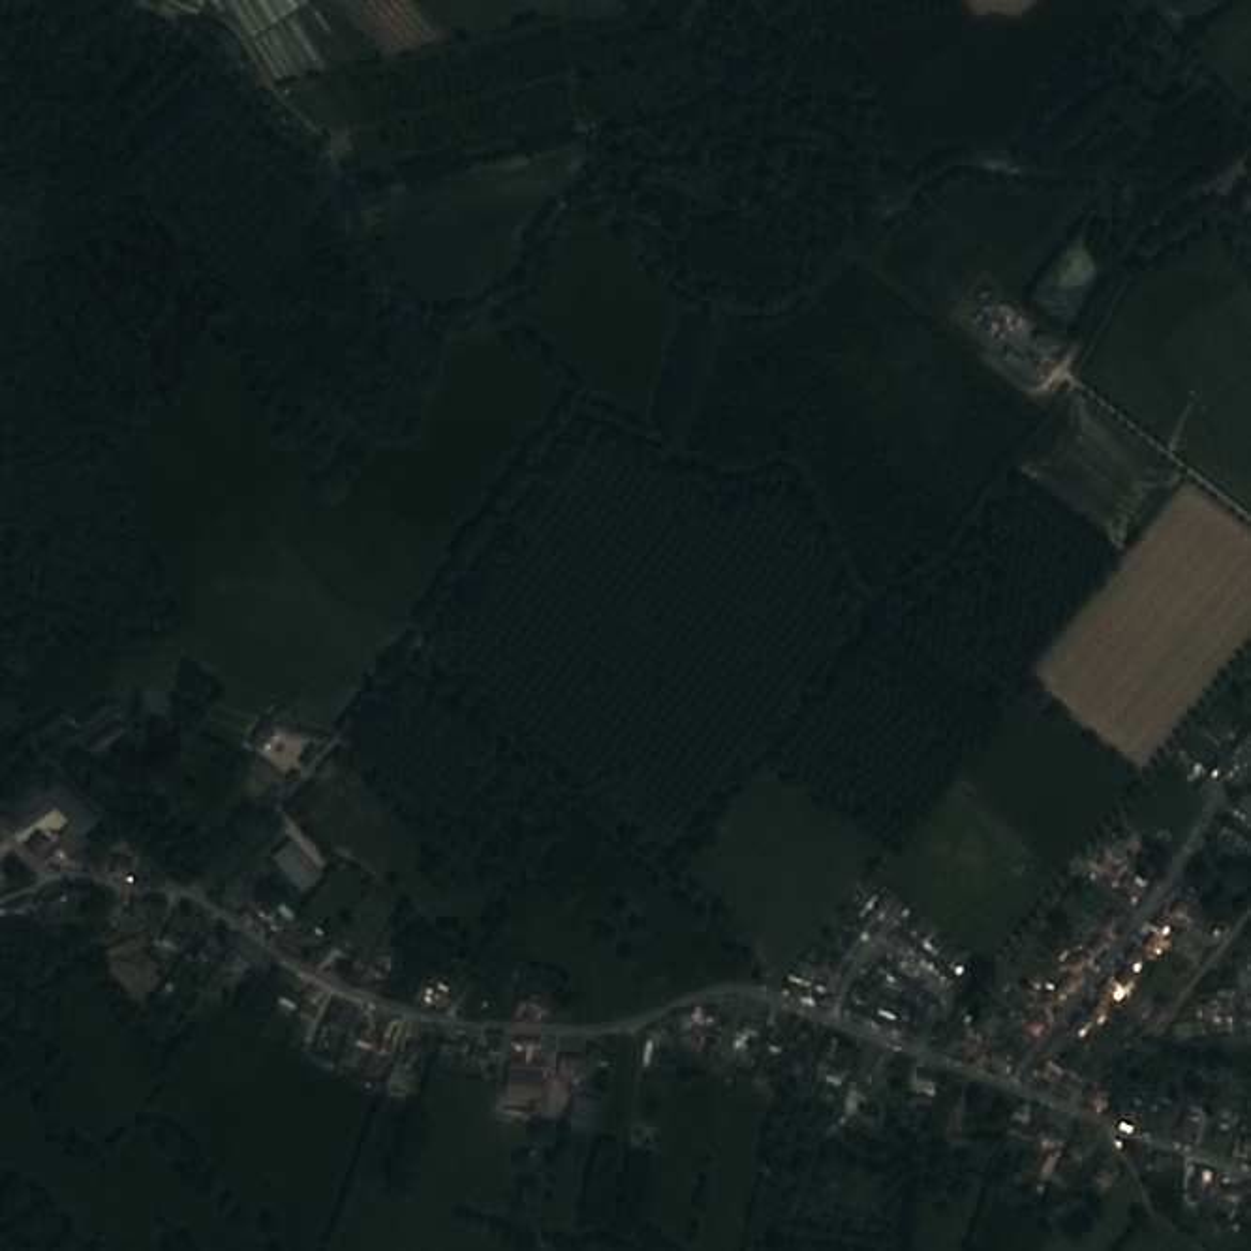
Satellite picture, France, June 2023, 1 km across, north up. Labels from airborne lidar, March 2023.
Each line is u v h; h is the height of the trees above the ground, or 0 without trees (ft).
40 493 55
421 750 129
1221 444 0
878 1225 24
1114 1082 21
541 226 49
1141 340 0
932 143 0
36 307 44
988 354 0
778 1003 0
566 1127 40
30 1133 0
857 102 50
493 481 0
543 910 0
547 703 101
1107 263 32
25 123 51
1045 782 0
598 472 91
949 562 22
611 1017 0
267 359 35
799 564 96
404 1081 0
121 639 26
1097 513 0
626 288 0
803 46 109
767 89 56
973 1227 22
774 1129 40
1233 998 0
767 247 39
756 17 98
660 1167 0
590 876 0
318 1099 0
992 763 0
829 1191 0
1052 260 27
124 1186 0
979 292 0
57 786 0
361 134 0
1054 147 110
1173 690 0
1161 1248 0
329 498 46
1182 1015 0
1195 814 0
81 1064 0
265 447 0
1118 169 29
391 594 0
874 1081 0
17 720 34
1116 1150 0
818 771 78
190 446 0
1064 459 0
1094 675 0
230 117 113
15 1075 88
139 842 40
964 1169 21
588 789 28
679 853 45
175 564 0
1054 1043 0
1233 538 0
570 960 0
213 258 104
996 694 95
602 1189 35
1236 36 0
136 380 108
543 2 0
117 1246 0
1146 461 0
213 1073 0
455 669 63
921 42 0
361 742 69
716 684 98
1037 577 79
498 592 106
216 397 0
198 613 0
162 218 0
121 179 31
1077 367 0
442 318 39
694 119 66
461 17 0
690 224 38
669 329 0
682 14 78
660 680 93
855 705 77
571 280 0
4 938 62
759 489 83
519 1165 30
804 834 0
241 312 37
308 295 24
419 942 57
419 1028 0
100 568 63
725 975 0
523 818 61
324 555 0
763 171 73
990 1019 0
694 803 23
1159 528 0
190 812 0
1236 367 0
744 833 0
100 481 67
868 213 105
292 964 0
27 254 27
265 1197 0
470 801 93
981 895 0
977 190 0
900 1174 43
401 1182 77
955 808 0
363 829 0
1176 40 64
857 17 98
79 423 38
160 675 0
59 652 106
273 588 0
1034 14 0
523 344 41
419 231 0
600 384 0
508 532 73
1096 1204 66
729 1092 0
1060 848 0
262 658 0
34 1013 93
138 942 0
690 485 100
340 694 0
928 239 0
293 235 36
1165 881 0
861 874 0
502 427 0
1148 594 0
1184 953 0
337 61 0
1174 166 27
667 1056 31
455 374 0
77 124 41
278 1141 0
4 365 33
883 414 0
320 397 24
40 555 52
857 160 93
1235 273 0
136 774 65
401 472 0
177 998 19
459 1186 0
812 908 0
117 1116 0
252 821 92
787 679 102
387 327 36
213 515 0
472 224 0
